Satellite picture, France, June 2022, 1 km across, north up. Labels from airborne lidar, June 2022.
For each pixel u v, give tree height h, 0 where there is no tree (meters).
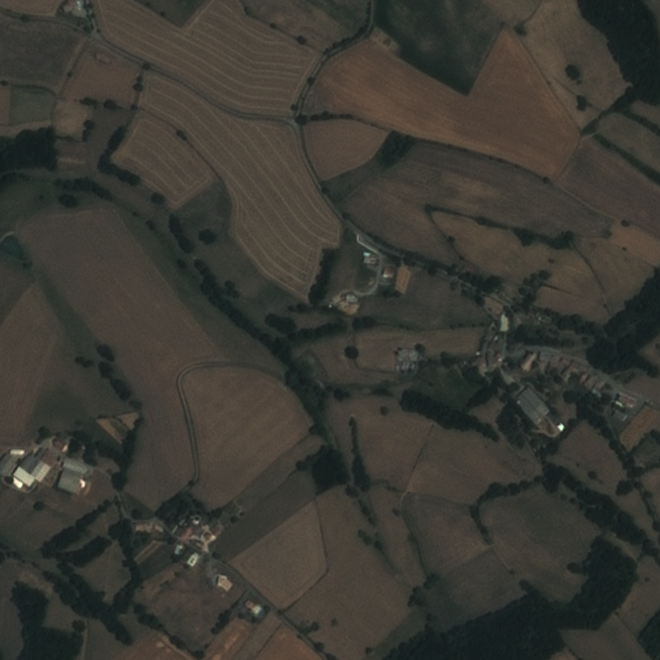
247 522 0
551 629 15
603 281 0
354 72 0
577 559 0
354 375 0
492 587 0
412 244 0
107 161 16
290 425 0
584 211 0
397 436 0
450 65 0
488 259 0
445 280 0
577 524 0
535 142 0
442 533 0
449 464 0
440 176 0
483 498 8
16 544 0
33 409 0
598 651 0
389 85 0
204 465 0
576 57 0
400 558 0
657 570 0
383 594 0
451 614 0
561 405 0
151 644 0
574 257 0
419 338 0
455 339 0
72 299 0
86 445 12
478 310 0
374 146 0
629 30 23
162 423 0
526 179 0
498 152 0
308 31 0
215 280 12
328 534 0
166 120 0
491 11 0
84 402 0
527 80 0
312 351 0
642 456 0
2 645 0
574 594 0
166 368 0
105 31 0
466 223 0
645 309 11
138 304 0
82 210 0
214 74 0
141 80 9
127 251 0
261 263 0
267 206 0
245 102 0
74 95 0
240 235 0
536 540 0
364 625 0
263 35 0
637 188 0
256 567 0
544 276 15
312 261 0
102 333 0
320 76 0
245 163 0
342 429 0
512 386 10
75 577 13
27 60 0
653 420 0
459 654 19
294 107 12
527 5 0
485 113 0
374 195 0
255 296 0
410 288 0
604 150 0
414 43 0
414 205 0
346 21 0
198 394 0
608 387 8
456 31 0
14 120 0
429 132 0
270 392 0
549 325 0
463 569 0
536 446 13
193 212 0
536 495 0
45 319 0
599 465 0
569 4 0
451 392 0
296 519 0
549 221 0
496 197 0
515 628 15
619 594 17
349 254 0
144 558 0
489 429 15
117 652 0
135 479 0
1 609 0
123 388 22
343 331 0
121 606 22
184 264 14
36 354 0
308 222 0
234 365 0
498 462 0
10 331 0
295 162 0
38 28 0
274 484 0
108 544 18
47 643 17
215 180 0
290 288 0
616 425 0
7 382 0
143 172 0
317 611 0
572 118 0
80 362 14
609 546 19
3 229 0
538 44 0
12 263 0
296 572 0
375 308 0
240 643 0
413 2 0
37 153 18
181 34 0
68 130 0
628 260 0
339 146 0
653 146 0
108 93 0
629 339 16
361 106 0
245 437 0
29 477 0
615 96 0
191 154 0
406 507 0
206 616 0
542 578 0
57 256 0
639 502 0
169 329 0
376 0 0
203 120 0
